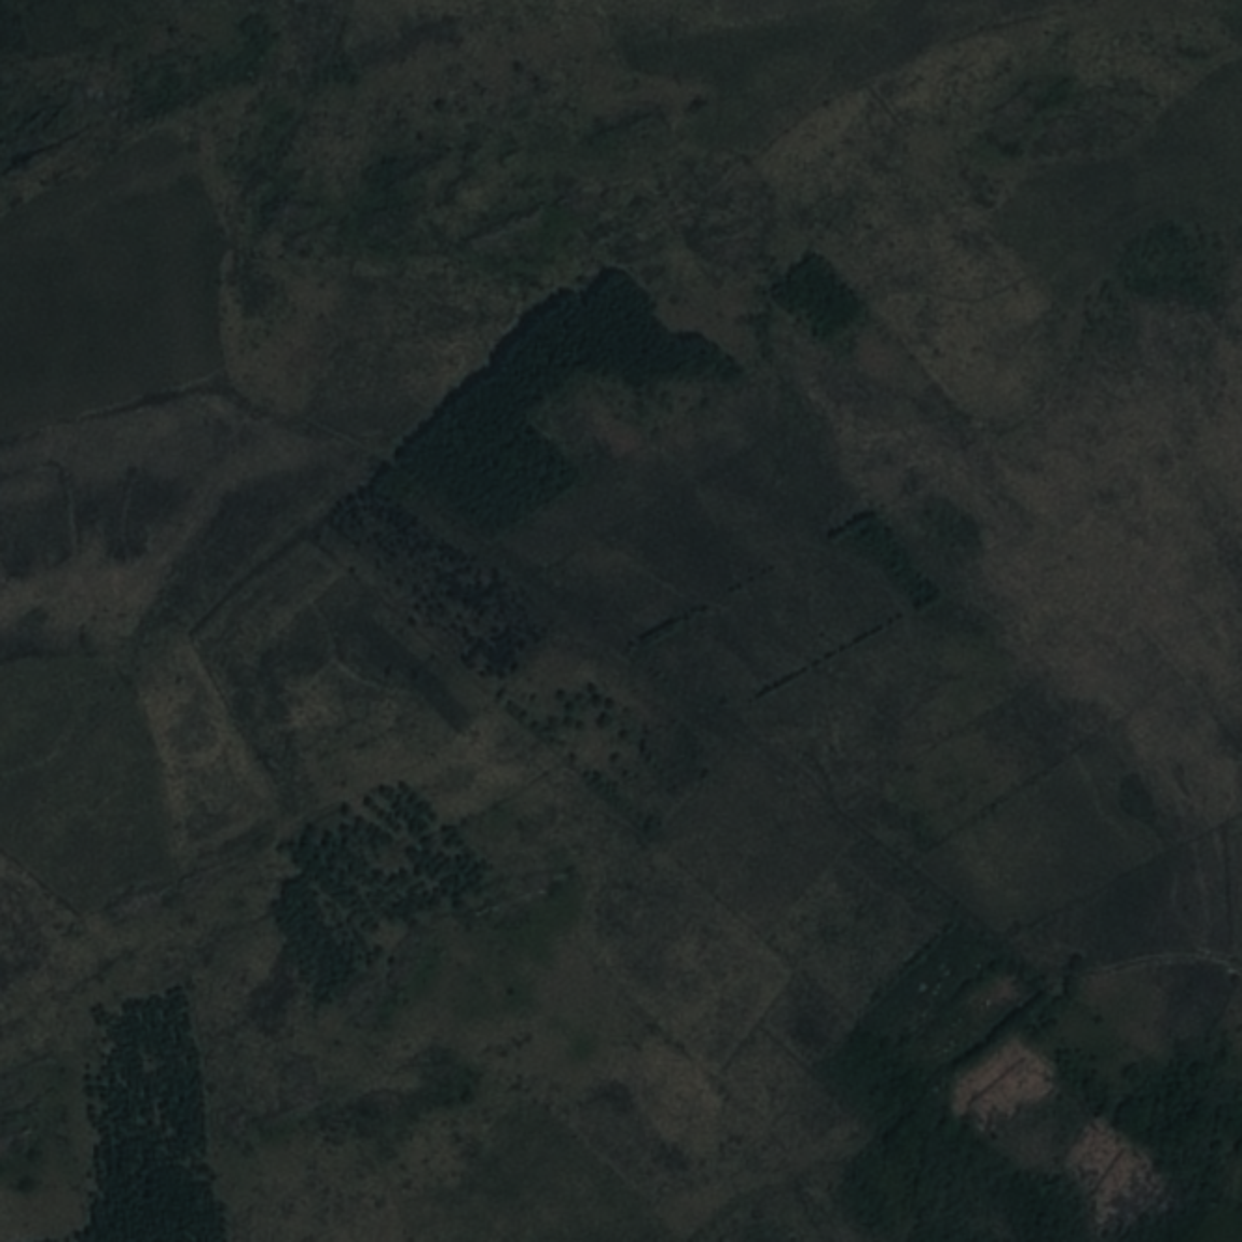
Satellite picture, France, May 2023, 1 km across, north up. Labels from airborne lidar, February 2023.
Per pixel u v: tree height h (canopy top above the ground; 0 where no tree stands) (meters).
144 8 0
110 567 0
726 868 0
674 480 0
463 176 0
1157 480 0
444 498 11
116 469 0
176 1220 12
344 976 6
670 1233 0
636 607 0
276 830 0
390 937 0
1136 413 0
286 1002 0
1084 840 0
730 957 0
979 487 0
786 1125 0
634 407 5
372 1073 0
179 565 0
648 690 0
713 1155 0
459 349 0
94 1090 7
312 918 7
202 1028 0
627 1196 0
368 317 0
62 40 0
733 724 0
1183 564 0
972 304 0
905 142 0
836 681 0
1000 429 0
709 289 0
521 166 0
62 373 0
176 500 0
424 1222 0
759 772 0
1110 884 0
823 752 0
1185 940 0
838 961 0
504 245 0
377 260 0
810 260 10
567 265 0
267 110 0
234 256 0
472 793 0
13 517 0
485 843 0
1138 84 0
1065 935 0
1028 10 0
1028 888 0
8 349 0
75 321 0
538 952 0
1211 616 0
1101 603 0
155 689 0
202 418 0
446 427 18
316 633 0
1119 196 0
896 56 0
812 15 0
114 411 0
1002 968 7
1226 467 0
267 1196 0
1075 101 0
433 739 0
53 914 0
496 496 16
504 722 0
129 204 0
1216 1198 8
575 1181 0
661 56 0
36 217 0
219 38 0
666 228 0
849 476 0
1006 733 0
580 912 0
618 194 0
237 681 0
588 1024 0
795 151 0
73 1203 0
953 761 0
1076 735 0
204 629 0
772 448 0
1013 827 0
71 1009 0
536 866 0
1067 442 0
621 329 23
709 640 0
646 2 0
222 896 0
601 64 0
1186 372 0
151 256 0
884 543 7
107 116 0
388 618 0
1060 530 0
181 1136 10
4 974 0
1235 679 0
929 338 0
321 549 0
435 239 0
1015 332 0
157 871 0
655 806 0
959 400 0
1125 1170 0
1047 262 0
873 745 0
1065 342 0
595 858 0
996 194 0
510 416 19
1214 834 0
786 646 0
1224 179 0
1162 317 0
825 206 0
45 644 0
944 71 0
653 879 0
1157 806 0
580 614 0
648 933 0
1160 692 0
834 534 11
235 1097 0
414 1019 0
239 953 0
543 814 0
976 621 0
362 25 0
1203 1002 0
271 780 0
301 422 0
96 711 0
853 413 0
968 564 0
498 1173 0
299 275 0
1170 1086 6
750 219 0
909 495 0
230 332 0
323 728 0
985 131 0
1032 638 0
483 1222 0
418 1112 0
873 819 0
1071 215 0
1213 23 0
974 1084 0
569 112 0
